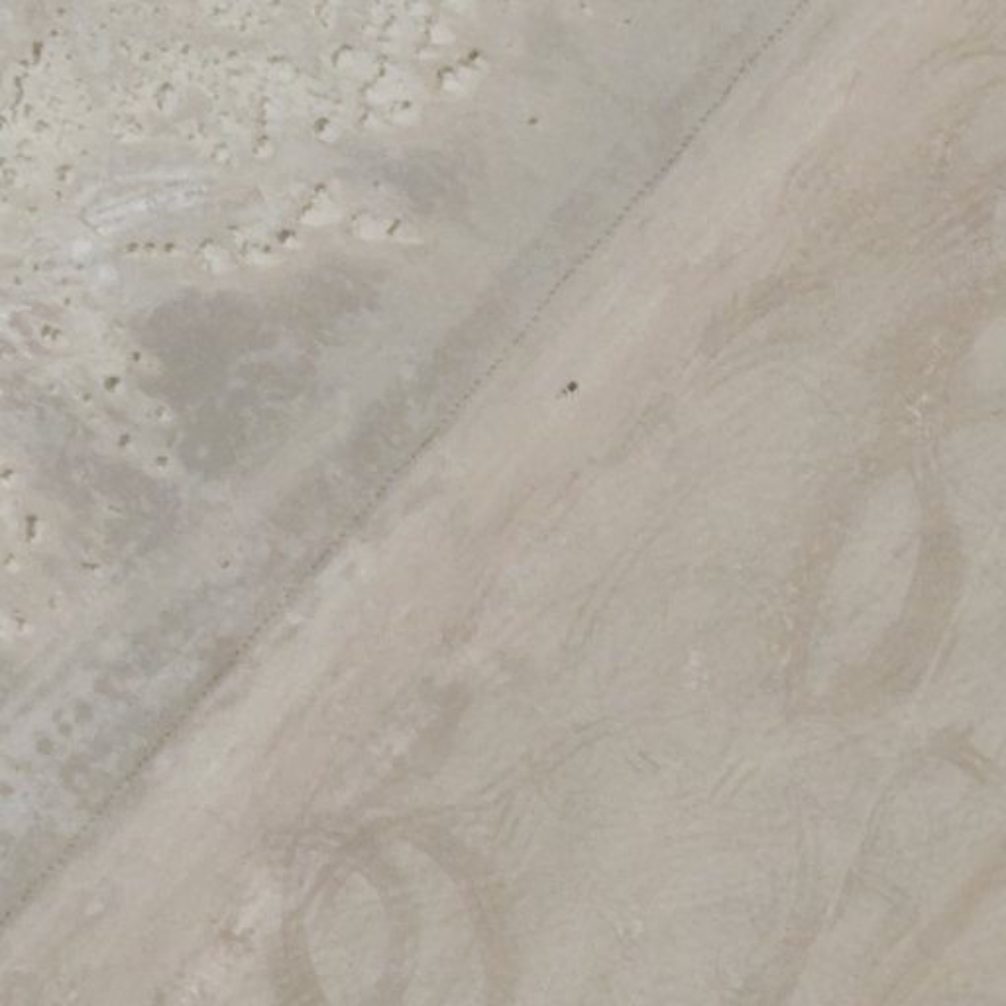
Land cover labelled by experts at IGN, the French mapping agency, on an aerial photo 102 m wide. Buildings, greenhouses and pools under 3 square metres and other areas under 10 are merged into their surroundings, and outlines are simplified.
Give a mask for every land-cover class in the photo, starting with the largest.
<instances>
[{"label":"bare soil","instance_id":"1","mask_svg":"<svg viewBox=\"0 0 1006 1006\"><path fill-rule=\"evenodd\" d=\"M0 1006H1006V0H0Z\"/></svg>","mask_w":1006,"mask_h":1006}]
</instances>
